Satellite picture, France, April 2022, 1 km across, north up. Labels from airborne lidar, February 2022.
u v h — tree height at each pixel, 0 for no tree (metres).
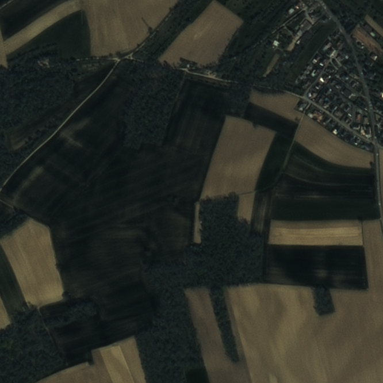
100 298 0
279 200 0
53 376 0
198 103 0
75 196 0
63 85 34
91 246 0
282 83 17
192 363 24
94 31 0
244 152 0
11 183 0
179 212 0
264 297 0
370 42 10
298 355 0
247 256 27
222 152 0
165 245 0
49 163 0
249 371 0
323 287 21
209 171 0
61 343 0
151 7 0
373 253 0
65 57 0
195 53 0
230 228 14
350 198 0
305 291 0
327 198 0
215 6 0
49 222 0
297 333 0
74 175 0
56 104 18
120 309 0
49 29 0
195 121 0
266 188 0
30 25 0
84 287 0
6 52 0
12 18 0
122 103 0
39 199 0
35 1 0
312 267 0
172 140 0
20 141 0
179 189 0
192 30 0
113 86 0
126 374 0
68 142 0
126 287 0
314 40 0
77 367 0
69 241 0
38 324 23
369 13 0
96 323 0
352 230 0
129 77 0
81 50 0
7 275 0
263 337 0
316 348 0
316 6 0
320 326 0
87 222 0
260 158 0
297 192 0
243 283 21
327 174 0
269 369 0
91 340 0
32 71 16
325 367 0
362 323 0
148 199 0
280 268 0
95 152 0
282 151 0
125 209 0
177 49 0
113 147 0
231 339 25
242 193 0
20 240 0
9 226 22
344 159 0
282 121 0
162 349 32
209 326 0
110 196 0
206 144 0
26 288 0
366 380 0
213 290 21
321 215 0
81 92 0
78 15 0
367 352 0
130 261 0
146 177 0
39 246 0
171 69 35
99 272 0
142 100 26
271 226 0
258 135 0
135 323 0
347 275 0
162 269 30
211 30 0
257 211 0
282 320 0
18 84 25
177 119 0
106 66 0
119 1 0
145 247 0
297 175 0
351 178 0
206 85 0
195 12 0
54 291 0
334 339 0
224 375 0
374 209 0
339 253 0
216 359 0
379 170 0
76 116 0
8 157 25
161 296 26
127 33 0
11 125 21
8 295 0
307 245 0
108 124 0
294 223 0
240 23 0
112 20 0
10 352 33
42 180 0
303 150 0
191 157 0
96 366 0
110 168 0
